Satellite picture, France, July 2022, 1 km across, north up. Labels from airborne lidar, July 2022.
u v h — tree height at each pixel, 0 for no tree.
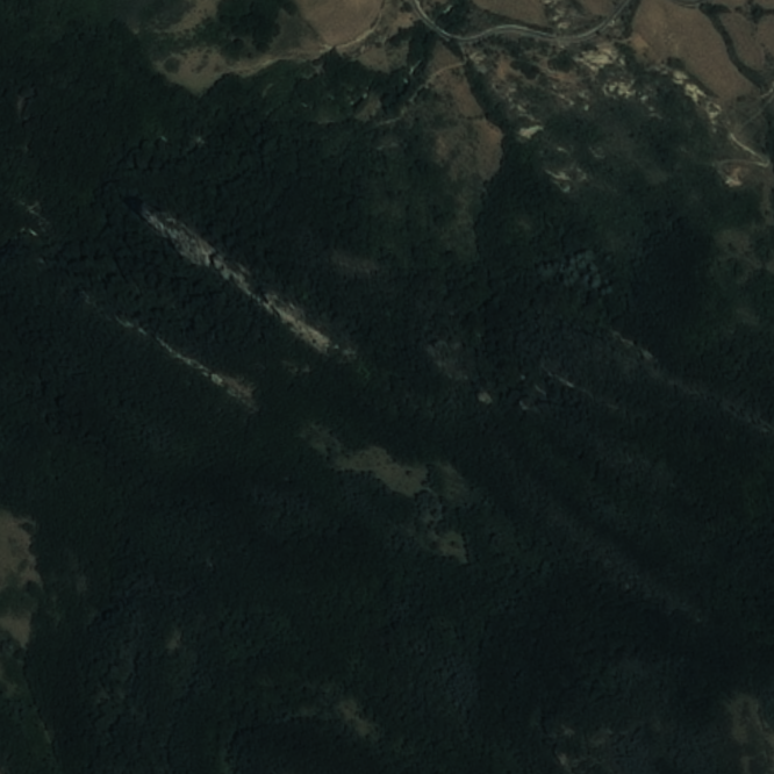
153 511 14
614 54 0
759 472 8
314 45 0
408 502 17
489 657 26
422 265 9
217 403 9
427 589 20
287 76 8
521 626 18
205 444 12
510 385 8
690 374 21
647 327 16
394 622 9
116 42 15
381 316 14
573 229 11
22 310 15
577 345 6
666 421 6
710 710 10
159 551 17
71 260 7
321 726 20
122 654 13
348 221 11
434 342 12
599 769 9
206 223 8
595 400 8
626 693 6
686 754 11
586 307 14
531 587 22
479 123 0
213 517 17
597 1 0
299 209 21
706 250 12
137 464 27
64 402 32
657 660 10
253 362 8
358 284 10
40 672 16
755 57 0
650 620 18
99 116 27
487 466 15
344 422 16
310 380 12
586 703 7
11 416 17
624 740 11
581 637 22
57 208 16
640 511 6
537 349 7
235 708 17
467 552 11
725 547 11
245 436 17
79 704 15
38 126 24
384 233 6
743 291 8
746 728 0
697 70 0
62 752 20
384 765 12
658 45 0
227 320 14
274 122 9
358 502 17
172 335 9
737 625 9
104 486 18
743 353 5
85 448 23
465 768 19
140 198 19
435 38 6
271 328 13
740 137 0
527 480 8
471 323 19
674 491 14
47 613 8
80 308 8
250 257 23
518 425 20
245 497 23
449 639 17
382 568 19
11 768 8
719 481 9
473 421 15
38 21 6
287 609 16
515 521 13
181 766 15
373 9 0
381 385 9
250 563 12
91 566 13
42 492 16
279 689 12
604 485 12
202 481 24
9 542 0
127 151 26
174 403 10
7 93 26
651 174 0
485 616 15
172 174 23
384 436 18
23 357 12
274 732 22
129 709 15
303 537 25
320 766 17
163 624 11
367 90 11
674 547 10
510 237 9
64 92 19
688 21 0
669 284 13
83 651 17
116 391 12
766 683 13
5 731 12
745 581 9
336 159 13
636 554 8
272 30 14
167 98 9
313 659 20
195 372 9
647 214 10
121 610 14
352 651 14
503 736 11
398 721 19
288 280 15
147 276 20
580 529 8
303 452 17
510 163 10
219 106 12
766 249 7
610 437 10
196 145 13
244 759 11
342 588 20
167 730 9
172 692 11
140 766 10
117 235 16
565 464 18
